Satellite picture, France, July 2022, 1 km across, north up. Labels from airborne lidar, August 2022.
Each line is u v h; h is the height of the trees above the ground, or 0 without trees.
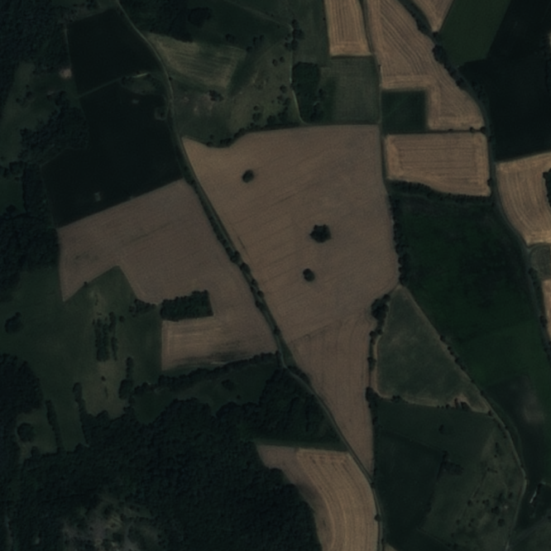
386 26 0
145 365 0
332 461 0
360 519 0
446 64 19
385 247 0
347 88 0
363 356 0
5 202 0
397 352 0
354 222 0
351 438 0
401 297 0
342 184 0
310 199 0
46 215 15
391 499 0
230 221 0
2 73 14
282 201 0
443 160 0
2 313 0
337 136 0
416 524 0
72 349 0
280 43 0
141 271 0
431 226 0
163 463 22
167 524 7
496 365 0
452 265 0
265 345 0
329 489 0
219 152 0
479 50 0
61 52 9
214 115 0
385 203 0
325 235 9
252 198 0
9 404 14
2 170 14
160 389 6
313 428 15
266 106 0
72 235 0
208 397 0
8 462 10
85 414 11
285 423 6
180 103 0
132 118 0
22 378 12
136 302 9
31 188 17
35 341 0
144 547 8
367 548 0
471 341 0
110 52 0
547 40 9
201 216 0
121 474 11
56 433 8
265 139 0
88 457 12
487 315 0
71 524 8
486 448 0
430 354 0
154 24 7
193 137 0
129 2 7
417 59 0
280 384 14
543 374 0
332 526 0
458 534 0
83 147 11
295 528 22
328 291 0
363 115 0
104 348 6
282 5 0
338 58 0
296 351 0
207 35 0
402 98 0
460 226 0
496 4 0
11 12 17
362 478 0
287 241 0
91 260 0
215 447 22
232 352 0
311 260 0
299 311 0
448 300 0
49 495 9
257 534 19
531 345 0
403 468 0
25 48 12
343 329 0
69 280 0
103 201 0
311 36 0
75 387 11
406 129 0
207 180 0
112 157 0
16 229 18
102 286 0
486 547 0
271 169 0
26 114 0
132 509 10
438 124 0
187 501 13
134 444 11
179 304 11
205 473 26
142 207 0
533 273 13
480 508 0
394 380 0
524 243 0
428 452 0
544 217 0
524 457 0
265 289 0
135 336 0
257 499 23
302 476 0
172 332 0
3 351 0
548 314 0
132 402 14
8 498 12
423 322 0
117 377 0
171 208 0
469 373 0
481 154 0
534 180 0
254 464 21
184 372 0
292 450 0
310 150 0
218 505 15
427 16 0
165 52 0
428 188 7
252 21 0
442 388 0
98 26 0
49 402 11
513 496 10
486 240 0
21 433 16
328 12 0
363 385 0
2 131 0
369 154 0
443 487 0
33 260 18
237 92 0
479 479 0
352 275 0
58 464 16
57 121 12
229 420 23
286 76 0
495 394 0
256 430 7
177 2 11
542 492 9
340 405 0
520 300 0
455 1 0
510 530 0
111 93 0
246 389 0
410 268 11
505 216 0
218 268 0
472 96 0
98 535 0
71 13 13
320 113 13
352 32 0
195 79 0
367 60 0
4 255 21
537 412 0
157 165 0
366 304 0
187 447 20
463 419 0
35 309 0
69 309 0
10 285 15
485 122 0
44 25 16
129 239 0
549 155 0
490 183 10
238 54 0
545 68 7
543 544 0
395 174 0
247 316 0
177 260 0
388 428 0
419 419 0
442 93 0
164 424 18
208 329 0
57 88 0
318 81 6
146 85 0
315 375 0
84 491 11
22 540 8
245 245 0
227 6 0
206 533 13
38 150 9
